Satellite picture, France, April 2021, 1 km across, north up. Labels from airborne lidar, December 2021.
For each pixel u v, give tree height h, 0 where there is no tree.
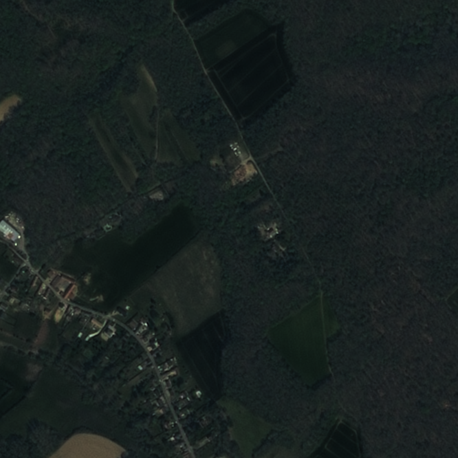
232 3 12
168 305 0
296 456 0
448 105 18
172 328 8
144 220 25
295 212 6
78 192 20
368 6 22
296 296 20
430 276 17
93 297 0
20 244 0
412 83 25
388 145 19
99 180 24
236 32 0
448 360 20
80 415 0
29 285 8
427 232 16
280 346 0
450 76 23
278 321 15
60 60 22
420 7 30
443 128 19
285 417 20
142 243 0
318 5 20
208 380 0
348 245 11
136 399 21
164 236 0
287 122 16
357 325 19
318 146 20
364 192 10
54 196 23
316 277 16
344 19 22
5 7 23
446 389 14
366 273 12
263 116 6
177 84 16
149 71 17
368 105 22
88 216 25
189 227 0
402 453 24
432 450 21
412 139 19
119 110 15
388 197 20
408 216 18
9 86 27
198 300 0
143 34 23
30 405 0
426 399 20
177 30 13
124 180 0
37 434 38
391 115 21
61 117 28
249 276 25
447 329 11
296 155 18
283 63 0
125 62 12
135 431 21
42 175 23
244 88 0
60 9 17
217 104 14
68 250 22
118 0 14
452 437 19
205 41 0
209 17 19
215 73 0
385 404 22
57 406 0
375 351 19
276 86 0
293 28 19
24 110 28
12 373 0
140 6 16
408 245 17
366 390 24
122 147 14
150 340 0
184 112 15
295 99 9
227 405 0
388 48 28
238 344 22
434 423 19
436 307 14
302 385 21
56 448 21
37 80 23
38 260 21
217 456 12
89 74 26
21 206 25
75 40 26
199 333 0
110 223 0
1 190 18
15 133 26
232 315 16
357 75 25
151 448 15
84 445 0
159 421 10
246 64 0
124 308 0
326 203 10
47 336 0
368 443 23
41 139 25
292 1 21
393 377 19
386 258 7
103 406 6
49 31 26
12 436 0
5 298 0
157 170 18
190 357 0
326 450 0
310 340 0
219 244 15
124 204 22
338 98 17
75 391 0
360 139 19
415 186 12
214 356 0
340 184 11
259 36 0
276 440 14
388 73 26
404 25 26
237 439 0
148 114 0
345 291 6
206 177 23
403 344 17
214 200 24
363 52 27
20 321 0
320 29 17
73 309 0
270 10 16
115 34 24
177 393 6
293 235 15
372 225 6
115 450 0
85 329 5
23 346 0
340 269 14
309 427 22
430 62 26
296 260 7
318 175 9
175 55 13
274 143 18
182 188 24
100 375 16
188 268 0
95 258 0
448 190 26
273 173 13
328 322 0
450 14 23
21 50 23
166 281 0
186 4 0
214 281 0
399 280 15
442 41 31
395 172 20
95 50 26
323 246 10
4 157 25
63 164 25
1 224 0
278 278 18
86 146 23
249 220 21
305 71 23
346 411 21
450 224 19
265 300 22
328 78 24
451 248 19
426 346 16
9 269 0
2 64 24
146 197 10
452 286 12
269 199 16
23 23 22
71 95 16
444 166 17
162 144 0
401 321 18
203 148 16
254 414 16
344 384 22
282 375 21
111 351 7
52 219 24
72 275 0
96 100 15
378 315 16
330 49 24
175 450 16
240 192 9
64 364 17
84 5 19
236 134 17
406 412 21
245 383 25
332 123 14
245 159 0
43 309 0
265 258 12
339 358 18
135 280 0
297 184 10
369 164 18
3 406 0
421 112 20
